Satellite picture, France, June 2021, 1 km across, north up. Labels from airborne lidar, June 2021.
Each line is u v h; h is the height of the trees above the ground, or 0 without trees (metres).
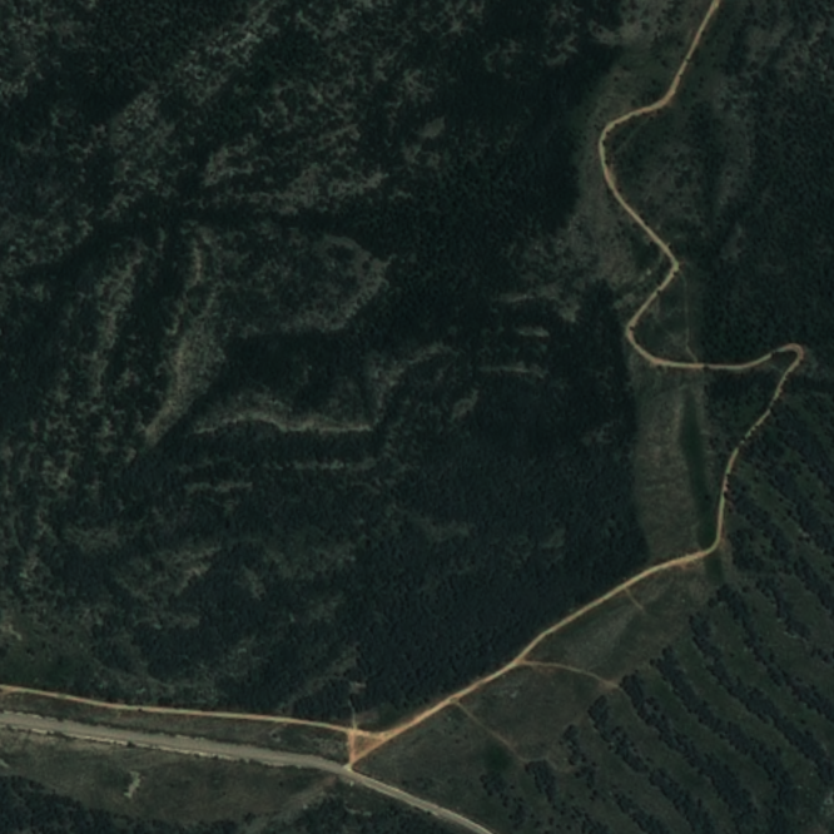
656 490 0
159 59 6
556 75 11
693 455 0
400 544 14
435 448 7
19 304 6
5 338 8
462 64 9
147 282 7
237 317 7
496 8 8
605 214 0
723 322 10
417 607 13
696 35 0
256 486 7
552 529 8
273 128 8
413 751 0
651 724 12
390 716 0
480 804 0
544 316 7
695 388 0
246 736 0
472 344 7
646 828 9
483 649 12
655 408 0
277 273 8
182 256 6
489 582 9
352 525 8
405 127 8
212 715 0
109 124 6
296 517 9
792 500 11
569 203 7
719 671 13
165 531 6
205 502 7
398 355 6
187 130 7
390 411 8
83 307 7
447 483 8
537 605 12
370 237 7
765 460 11
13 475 7
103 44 10
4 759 0
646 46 0
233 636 7
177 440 9
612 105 0
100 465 7
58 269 11
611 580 11
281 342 13
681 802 9
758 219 7
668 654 11
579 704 0
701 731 0
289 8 6
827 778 11
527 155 10
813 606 0
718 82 0
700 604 0
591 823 11
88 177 7
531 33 9
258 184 6
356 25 7
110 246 7
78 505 9
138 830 9
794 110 8
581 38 6
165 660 7
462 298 9
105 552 6
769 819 7
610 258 0
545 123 10
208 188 7
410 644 12
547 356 7
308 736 0
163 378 10
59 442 9
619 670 0
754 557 8
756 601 0
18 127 8
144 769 0
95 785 0
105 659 6
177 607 6
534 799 0
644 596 0
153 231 9
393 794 0
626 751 11
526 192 9
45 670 0
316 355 10
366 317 7
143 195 8
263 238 7
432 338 6
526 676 0
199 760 0
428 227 11
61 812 9
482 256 8
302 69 7
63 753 0
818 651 9
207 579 7
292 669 8
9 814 8
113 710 0
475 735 0
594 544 12
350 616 7
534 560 10
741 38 9
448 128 6
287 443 9
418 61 7
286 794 0
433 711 0
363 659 9
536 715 0
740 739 13
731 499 12
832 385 7
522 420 10
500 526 10
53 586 9
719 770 14
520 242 7
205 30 8
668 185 0
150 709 0
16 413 10
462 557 10
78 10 7
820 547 9
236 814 0
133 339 6
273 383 7
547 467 9
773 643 0
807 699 14
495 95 10
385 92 7
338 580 9
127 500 9
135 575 7
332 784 0
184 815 0
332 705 11
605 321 7
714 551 0
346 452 8
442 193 11
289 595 9
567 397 8
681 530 0
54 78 8
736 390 9
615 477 11
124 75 7
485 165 11
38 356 11
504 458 10
